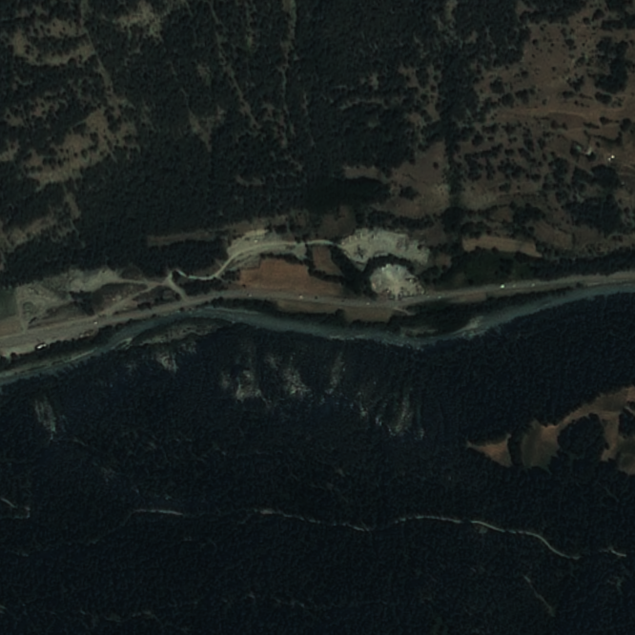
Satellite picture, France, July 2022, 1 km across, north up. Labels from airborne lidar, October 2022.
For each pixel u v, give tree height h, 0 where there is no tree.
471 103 12
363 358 9
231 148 17
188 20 14
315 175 14
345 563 16
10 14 12
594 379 21
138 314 0
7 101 16
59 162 10
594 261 11
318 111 11
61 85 11
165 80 14
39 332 0
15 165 11
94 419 12
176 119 13
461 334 0
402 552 9
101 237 19
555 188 7
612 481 15
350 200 23
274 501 7
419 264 0
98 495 20
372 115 14
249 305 12
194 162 12
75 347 16
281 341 10
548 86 0
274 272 0
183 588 27
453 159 8
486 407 26
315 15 16
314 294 0
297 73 17
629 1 9
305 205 13
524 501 18
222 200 12
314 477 6
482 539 17
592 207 13
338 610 11
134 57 14
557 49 0
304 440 9
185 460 14
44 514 9
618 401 0
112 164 16
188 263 16
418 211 0
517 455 24
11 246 8
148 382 16
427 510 14
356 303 0
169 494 11
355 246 0
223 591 28
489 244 0
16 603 28
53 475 16
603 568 18
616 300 14
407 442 16
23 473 15
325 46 14
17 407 13
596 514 17
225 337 15
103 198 17
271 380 6
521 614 16
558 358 19
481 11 15
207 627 8
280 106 8
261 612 8
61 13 12
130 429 9
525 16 12
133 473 20
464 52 6
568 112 0
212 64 13
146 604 26
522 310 0
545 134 5
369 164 18
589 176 10
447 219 11
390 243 0
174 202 15
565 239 0
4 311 0
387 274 0
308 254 12
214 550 28
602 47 9
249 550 27
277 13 12
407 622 20
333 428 11
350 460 12
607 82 15
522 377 17
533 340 20
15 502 9
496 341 19
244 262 0
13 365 12
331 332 0
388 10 14
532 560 15
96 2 14
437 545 8
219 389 11
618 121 6
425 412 7
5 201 16
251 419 15
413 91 10
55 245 11
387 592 19
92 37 10
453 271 16
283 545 22
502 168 12
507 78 0
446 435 14
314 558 23
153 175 17
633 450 0
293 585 14
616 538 21
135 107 7
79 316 0
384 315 0
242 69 12
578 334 28
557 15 10
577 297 0
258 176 7
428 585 29
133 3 13
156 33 6
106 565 26
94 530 17
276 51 14
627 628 21
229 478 22
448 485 8
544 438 0
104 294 0
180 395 13
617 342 11
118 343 0
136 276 0
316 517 24
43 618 21
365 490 19
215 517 16
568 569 16
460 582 13
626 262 16
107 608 29
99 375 6
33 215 15
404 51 14
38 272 19
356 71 16
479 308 12
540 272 18
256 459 18
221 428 12
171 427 7
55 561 26
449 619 24
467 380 13
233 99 10
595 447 19
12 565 22
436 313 8
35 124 8
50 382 15
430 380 17
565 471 27
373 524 24
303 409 11
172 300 7
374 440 18
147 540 11
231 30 13
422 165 0
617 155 0
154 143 15
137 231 15
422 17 10
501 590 20
